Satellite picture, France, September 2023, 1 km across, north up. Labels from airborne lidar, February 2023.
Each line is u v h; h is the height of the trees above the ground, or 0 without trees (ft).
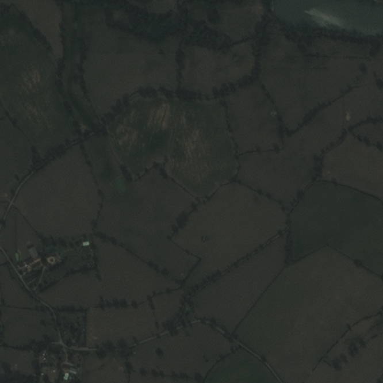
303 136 0
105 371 0
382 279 36
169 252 0
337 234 0
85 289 0
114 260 0
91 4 34
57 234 0
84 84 41
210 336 0
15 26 0
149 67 0
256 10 0
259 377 0
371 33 0
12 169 0
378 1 0
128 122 0
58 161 0
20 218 0
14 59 0
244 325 0
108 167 0
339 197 0
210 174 0
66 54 0
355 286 0
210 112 0
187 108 0
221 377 0
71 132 0
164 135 0
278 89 0
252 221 0
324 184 0
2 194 0
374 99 0
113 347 57
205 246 0
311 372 0
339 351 0
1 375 0
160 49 0
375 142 0
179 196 0
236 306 0
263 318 0
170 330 56
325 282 0
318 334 0
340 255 0
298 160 0
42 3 0
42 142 0
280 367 0
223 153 0
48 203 0
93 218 0
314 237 0
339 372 0
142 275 0
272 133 0
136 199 0
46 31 0
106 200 0
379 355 0
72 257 0
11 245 0
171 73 0
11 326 0
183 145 0
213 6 31
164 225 0
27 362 0
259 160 0
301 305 0
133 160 0
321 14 0
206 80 0
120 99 0
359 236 0
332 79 0
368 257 0
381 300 0
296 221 0
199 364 0
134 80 0
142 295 0
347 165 0
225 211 0
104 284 0
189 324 48
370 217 0
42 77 0
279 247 0
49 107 0
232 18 0
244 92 0
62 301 0
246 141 0
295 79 0
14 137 0
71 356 29
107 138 0
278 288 0
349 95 0
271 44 0
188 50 0
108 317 0
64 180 0
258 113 0
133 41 0
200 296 0
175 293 0
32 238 0
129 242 0
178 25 84
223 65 0
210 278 30
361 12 0
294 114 0
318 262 0
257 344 0
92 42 0
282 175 0
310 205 0
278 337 0
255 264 0
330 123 0
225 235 0
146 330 0
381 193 0
